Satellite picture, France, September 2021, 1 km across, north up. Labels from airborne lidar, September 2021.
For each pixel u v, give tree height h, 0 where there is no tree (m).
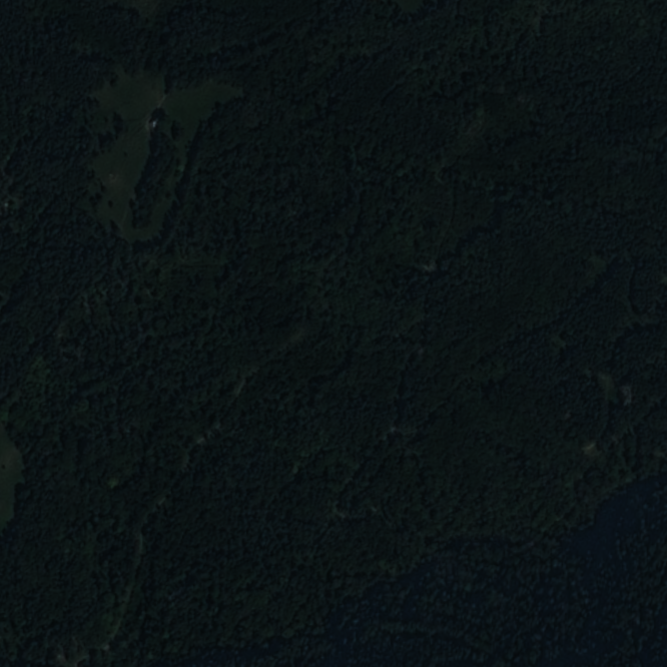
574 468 29
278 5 18
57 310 16
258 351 26
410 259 6
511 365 31
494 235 26
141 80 0
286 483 23
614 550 36
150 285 9
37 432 24
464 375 26
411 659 30
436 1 0
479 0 18
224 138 29
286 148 7
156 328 23
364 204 22
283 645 34
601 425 32
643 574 34
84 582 31
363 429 23
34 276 27
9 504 0
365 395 28
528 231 32
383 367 27
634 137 23
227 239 24
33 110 31
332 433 30
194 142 6
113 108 0
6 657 20
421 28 20
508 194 33
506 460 26
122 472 23
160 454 10
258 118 23
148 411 9
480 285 22
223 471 30
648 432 30
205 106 0
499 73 20
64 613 23
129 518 12
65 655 34
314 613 8
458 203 9
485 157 8
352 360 26
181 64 32
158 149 25
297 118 33
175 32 22
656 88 24
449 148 21
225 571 15
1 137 28
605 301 23
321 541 30
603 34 22
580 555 41
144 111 0
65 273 21
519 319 19
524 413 25
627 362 31
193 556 19
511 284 27
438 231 22
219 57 6
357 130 22
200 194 27
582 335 28
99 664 14
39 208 19
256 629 29
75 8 15
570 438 25
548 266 26
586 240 35
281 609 30
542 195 8
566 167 22
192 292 16
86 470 30
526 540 31
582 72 28
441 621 25
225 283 17
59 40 22
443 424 27
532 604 29
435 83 21
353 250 17
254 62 15
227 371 19
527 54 21
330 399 26
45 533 20
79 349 32
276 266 12
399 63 22
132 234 0
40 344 17
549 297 25
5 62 21
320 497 31
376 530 24
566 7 19
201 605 16
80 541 24
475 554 36
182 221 6
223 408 16
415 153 25
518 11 14
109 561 25
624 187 28
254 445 11
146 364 18
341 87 18
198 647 9
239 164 30
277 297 19
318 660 21
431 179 6
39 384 10
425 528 31
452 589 30
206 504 28
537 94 31
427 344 26
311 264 16
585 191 25
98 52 10
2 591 27
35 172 19
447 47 21
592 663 32
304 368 9
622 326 28
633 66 24
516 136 9
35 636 24
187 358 14
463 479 30
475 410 29
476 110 21
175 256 27
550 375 33
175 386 13
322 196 9
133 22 26
